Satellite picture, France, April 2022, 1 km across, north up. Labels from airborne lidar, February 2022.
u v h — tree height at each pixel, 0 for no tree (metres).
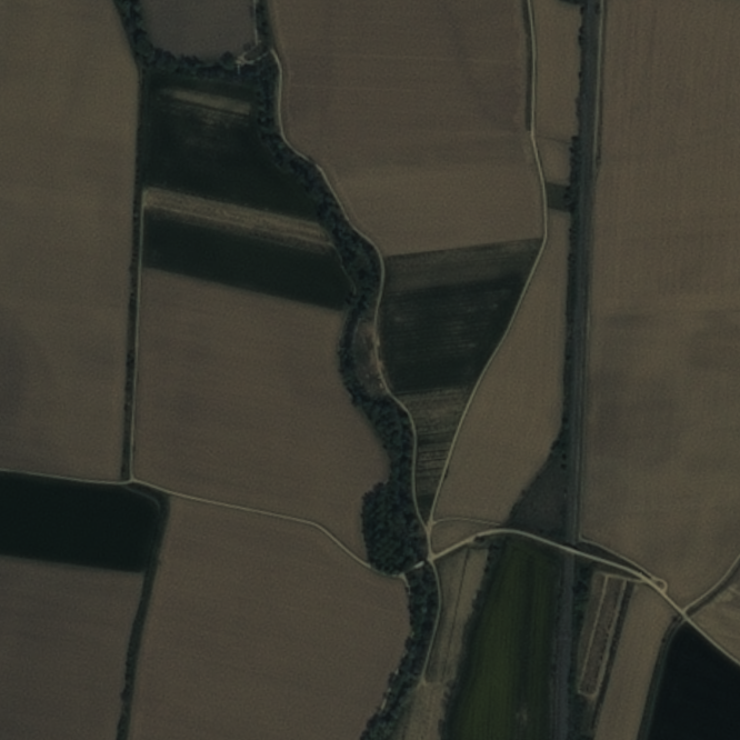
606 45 0
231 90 0
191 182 0
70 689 0
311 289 0
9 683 0
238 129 0
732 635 0
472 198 0
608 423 0
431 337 0
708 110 0
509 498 0
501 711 0
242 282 0
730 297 0
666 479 0
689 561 0
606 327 0
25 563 0
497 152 0
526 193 0
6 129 0
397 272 0
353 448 0
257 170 0
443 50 0
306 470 0
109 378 0
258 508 0
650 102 0
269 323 0
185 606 0
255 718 0
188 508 0
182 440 0
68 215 0
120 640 0
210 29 0
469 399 0
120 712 0
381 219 0
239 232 0
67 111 0
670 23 0
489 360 0
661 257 0
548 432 0
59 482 0
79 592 0
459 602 0
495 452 0
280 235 0
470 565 0
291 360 0
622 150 0
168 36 0
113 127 0
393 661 0
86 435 0
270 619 0
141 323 0
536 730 0
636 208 0
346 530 0
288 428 0
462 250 0
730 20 0
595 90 0
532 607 0
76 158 0
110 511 0
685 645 0
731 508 0
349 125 0
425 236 0
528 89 0
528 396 0
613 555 0
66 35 0
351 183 0
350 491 0
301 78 0
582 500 0
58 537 0
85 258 0
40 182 0
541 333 0
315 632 0
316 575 0
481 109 0
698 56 0
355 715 0
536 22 0
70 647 0
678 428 0
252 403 0
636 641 0
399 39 0
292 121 0
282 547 0
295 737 0
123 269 0
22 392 0
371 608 0
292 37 0
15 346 0
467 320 0
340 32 0
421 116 0
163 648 0
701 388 0
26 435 0
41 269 0
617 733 0
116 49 0
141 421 0
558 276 0
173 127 0
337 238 14
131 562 0
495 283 0
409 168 0
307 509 0
